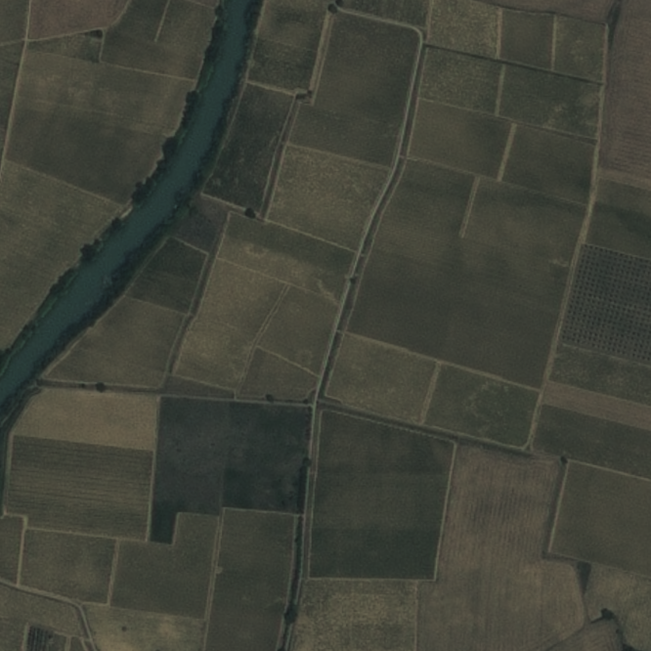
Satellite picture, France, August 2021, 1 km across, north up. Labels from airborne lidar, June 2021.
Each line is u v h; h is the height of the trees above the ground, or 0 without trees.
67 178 0
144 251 12
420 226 0
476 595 0
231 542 0
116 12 0
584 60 0
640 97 0
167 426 0
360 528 0
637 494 0
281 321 0
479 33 0
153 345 0
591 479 0
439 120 0
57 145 0
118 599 0
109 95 0
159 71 0
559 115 0
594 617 0
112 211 0
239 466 0
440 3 0
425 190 0
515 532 0
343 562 0
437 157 0
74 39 0
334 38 0
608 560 0
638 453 0
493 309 0
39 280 0
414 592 0
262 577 0
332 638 0
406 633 0
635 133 0
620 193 0
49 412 0
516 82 0
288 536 0
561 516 0
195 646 0
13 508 0
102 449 0
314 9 0
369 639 0
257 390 0
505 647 0
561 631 0
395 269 0
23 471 0
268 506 0
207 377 0
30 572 0
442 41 0
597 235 0
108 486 0
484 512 0
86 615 0
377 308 0
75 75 0
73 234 0
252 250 0
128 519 0
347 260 0
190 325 0
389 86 0
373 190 0
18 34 0
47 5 0
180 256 0
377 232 0
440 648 0
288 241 0
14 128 0
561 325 0
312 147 0
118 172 0
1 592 0
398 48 0
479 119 0
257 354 0
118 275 13
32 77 0
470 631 0
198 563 0
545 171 0
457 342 0
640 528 0
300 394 0
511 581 0
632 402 0
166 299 0
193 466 0
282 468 0
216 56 18
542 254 0
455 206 0
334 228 0
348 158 0
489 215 0
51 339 0
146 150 0
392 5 0
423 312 0
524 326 0
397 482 0
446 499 0
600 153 0
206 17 0
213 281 0
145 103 0
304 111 0
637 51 0
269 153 0
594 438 0
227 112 8
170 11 0
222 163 0
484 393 0
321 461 0
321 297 0
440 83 0
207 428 0
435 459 0
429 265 0
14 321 0
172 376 0
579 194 0
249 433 0
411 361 0
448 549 0
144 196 21
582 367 0
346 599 0
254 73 0
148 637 0
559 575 0
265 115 0
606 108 0
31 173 0
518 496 0
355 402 0
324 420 0
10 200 0
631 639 0
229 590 0
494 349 0
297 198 0
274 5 0
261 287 0
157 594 0
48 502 0
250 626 0
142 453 0
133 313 0
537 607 0
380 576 0
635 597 0
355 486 0
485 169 0
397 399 0
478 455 0
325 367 0
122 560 0
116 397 0
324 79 0
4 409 12
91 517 0
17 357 0
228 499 0
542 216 0
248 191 0
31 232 0
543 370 0
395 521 0
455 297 0
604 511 0
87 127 0
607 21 0
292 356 0
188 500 0
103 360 0
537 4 0
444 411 0
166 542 0
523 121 0
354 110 0
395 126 0
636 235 0
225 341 0
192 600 0
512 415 0
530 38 0
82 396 0
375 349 0
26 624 0
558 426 0
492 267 0
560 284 0
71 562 0
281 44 0
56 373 0
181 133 6
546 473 0
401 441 0
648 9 0
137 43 0
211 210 0
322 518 0
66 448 0
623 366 0
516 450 0
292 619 12
